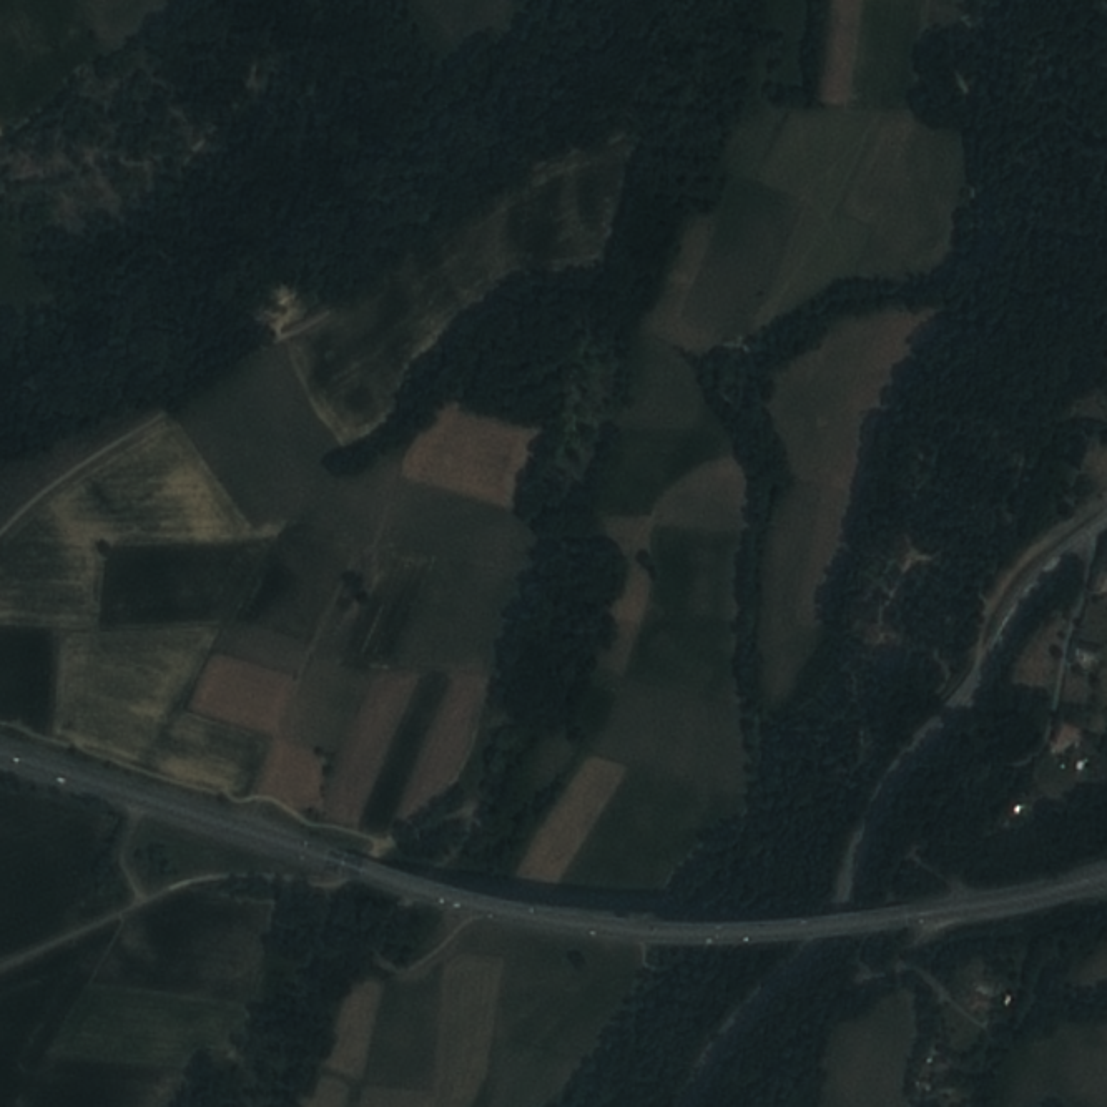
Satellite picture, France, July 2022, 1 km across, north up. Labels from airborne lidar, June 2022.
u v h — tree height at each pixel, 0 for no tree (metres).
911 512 28
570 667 28
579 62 25
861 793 14
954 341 31
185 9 21
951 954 13
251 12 16
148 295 22
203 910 0
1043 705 19
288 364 0
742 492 0
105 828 0
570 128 26
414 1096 0
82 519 0
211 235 23
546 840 0
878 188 0
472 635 0
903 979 13
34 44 0
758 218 0
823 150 0
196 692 0
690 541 0
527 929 0
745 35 23
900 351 0
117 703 0
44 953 0
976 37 19
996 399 23
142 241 25
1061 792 0
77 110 9
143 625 0
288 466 0
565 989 0
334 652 0
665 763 0
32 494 0
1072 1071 0
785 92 16
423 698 0
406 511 0
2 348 27
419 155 18
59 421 23
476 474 0
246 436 0
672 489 0
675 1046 23
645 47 22
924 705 19
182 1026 0
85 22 0
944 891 15
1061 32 23
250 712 0
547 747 0
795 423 0
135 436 0
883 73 0
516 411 24
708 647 0
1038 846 16
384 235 26
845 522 0
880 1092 0
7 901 0
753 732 21
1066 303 23
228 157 21
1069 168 25
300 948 26
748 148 0
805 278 0
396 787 0
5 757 0
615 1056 28
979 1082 15
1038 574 0
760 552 9
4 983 0
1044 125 30
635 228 20
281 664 0
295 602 0
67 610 0
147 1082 0
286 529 0
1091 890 0
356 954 30
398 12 22
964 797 18
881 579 30
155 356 24
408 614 0
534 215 0
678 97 23
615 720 0
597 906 44
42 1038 0
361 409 0
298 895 15
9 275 0
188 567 0
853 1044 0
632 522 0
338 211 29
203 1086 22
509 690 19
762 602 6
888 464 25
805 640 0
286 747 0
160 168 20
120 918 0
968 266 30
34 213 14
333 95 28
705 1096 23
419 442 0
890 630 29
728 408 16
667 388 0
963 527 23
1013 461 21
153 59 21
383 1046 0
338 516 0
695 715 0
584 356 21
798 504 0
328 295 19
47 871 0
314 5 27
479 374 29
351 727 0
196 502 0
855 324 0
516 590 0
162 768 0
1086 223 25
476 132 33
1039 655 0
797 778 31
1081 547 0
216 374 21
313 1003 23
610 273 16
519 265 0
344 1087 0
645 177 21
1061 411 22
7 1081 0
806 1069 17
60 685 0
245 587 0
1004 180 21
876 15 0
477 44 18
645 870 0
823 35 7
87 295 22
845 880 0
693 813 0
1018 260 34
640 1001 13
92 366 28
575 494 27
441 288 0
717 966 29
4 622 0
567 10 34
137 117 14
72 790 0
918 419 28
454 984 0
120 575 0
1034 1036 18
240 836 0
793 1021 17
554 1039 0
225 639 0
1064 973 26
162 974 0
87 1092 0
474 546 0
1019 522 6
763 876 21
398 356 0
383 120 28
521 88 24
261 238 24
